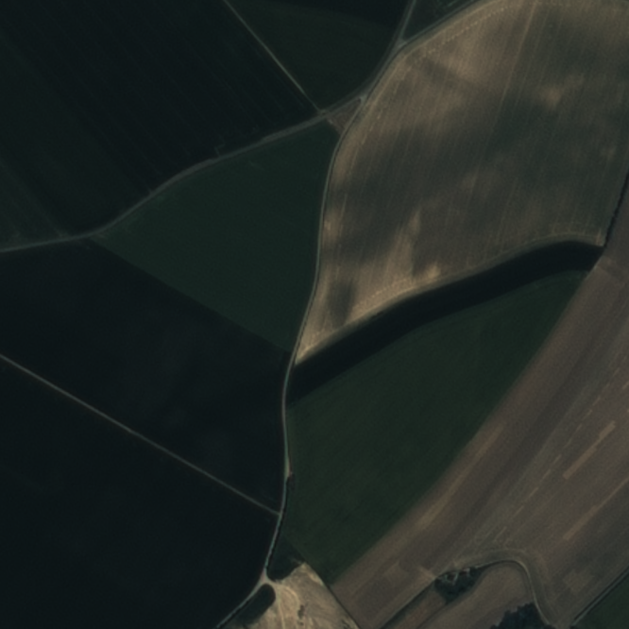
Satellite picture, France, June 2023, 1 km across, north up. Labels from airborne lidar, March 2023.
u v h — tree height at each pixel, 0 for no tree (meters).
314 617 0
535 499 0
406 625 0
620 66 0
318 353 0
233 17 0
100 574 0
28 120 0
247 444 0
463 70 0
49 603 0
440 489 0
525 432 0
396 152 0
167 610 0
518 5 0
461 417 0
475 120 0
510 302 0
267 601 0
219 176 0
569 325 0
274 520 0
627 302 0
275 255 0
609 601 0
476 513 0
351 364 0
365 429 0
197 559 0
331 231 0
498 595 0
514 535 0
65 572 0
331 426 0
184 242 0
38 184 0
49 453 0
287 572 0
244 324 0
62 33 0
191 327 0
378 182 0
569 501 0
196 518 0
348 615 0
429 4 0
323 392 0
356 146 0
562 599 0
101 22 0
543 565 0
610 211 0
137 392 0
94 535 0
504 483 0
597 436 0
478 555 0
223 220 0
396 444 0
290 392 0
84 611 0
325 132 0
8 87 0
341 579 0
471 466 0
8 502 0
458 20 0
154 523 0
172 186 0
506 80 0
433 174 0
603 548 0
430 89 0
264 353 0
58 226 0
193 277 0
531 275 0
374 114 0
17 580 0
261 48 0
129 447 0
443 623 0
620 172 0
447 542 0
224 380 0
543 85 0
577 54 0
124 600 0
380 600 0
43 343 0
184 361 0
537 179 0
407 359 0
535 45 0
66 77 0
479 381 0
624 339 0
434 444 0
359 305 0
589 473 0
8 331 0
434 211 0
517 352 0
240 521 0
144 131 0
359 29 0
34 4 0
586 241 0
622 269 0
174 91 0
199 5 0
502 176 0
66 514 0
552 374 0
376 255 0
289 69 0
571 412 0
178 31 0
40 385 0
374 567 0
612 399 0
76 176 0
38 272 0
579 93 0
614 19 0
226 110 0
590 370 0
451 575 9
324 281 0
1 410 0
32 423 0
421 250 0
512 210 0
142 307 0
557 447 0
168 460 0
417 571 0
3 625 0
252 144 0
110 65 0
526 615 18
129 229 0
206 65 0
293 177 0
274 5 0
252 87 0
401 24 0
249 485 0
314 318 0
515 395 0
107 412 0
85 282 0
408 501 0
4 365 0
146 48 0
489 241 0
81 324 0
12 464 0
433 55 0
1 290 0
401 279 0
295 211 0
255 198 0
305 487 0
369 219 0
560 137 0
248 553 0
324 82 0
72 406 0
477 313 0
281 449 0
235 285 0
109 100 0
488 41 0
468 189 0
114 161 0
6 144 0
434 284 0
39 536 0
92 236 0
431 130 0
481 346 0
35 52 0
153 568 0
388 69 0
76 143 0
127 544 0
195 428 0
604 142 0
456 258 0
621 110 0
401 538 0
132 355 0
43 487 0
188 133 0
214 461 0
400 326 0
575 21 0
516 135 0
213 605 0
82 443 0
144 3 0
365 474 0
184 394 0
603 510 0
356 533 0
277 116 0
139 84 0
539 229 0
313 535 0
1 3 0
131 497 0
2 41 0
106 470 0
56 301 0
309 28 0
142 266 0
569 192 0
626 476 0
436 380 0
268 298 0
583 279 0
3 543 0
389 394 0
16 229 0
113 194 0
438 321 0
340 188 0
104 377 0
